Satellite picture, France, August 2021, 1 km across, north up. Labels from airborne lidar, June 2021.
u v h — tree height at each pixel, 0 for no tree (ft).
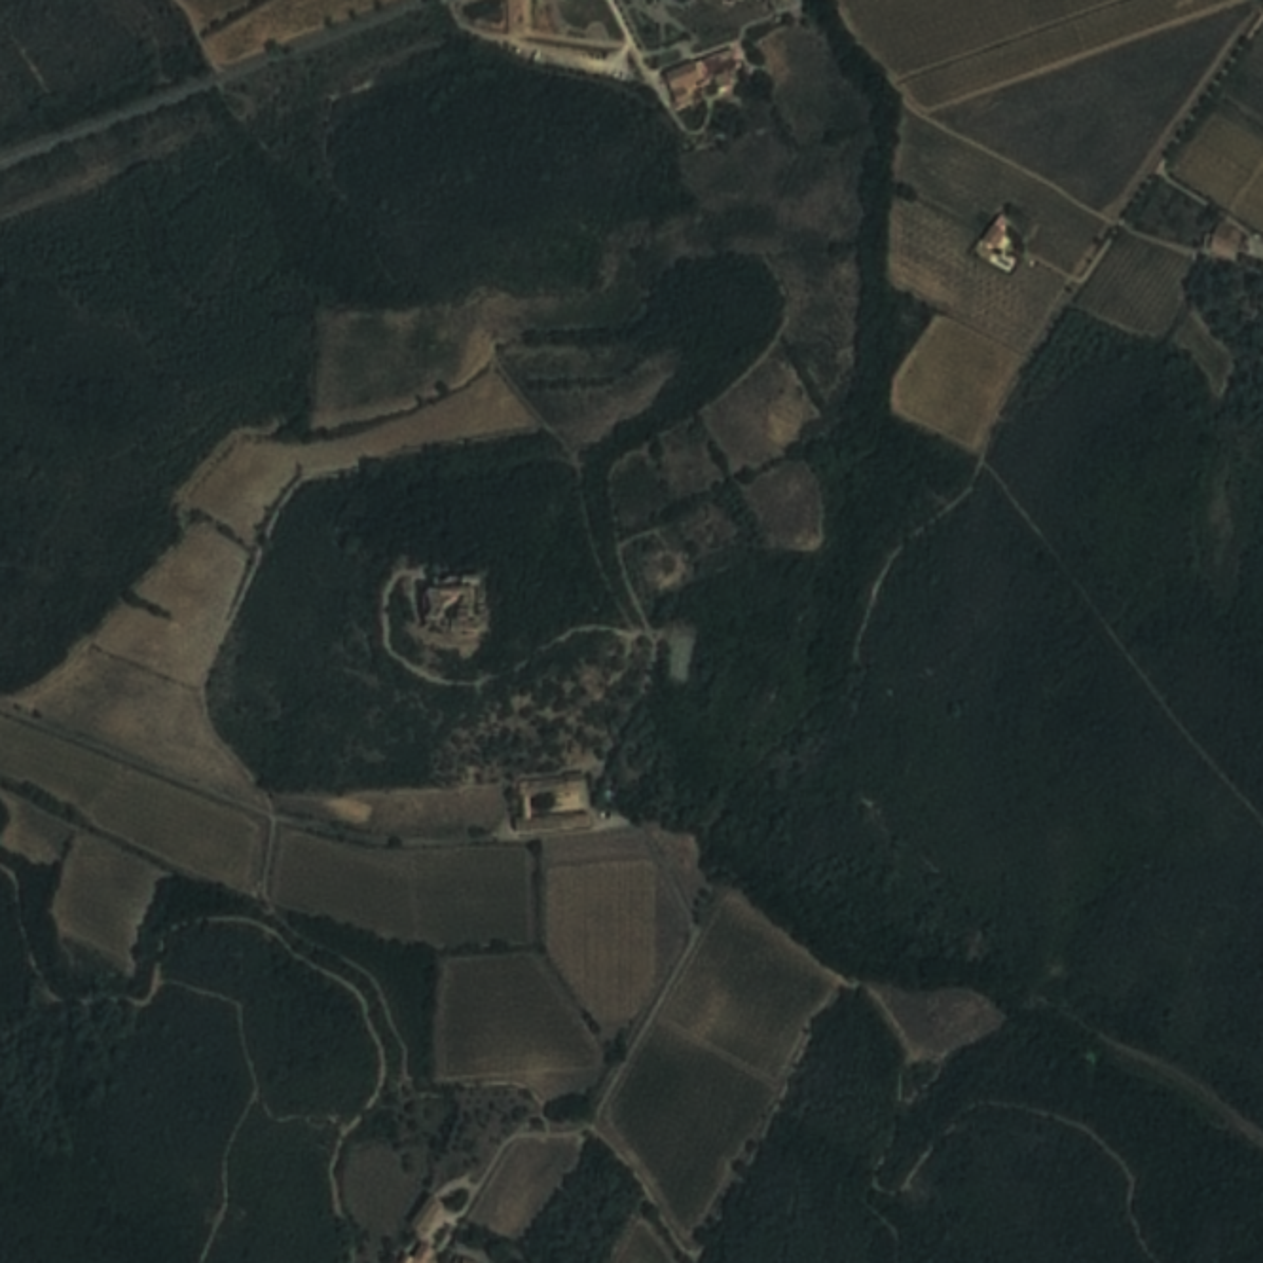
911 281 0
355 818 0
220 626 0
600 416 0
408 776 19
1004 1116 21
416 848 0
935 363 0
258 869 0
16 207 0
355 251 24
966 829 0
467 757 21
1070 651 22
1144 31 0
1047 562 19
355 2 0
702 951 0
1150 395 26
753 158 0
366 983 22
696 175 0
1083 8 0
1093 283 0
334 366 0
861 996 24
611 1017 0
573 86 20
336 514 17
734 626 23
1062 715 19
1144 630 19
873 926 20
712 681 28
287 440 34
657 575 0
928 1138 19
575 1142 0
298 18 0
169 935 34
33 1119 43
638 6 0
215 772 0
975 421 0
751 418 0
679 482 0
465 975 0
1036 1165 18
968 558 0
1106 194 0
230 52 0
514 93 20
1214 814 0
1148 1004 19
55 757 0
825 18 41
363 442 0
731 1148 0
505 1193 0
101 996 43
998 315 0
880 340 25
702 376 27
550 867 0
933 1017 0
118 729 0
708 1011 0
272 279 30
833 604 29
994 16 0
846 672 24
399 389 0
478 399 0
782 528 0
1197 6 0
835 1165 28
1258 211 0
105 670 0
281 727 22
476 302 0
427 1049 28
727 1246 22
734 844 34
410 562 19
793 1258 17
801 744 38
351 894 0
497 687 25
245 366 21
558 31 0
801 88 0
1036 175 0
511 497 24
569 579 22
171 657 0
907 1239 19
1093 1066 27
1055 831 0
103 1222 21
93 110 20
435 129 18
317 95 0
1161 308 0
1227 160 0
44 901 33
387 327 0
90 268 20
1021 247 27
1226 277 42
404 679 25
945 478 26
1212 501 0
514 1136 0
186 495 0
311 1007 19
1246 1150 40
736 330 21
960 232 0
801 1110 18
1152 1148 21
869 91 42
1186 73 0
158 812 0
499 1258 49
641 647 24
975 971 46
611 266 0
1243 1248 20
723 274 17
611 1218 19
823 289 0
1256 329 45
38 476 21
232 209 22
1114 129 0
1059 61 0
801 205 0
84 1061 49
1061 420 0
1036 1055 19
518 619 22
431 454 22
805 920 40
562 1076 0
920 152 0
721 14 0
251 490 0
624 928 0
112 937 0
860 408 59
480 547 27
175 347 18
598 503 25
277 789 18
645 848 0
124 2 0
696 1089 0
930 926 44
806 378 31
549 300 0
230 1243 0
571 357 0
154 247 18
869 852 21
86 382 22
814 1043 20
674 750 27
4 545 18
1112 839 0
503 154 19
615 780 48
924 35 0
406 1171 26
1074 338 31
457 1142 22
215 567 0
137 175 24
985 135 0
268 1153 0
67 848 21
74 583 21
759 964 0
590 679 0
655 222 20
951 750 0
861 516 28
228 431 21
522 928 0
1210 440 31
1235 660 24
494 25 0
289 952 20
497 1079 0
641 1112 0
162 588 0
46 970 28
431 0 43
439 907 0
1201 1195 27
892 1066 21
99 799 0
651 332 20
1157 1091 30
